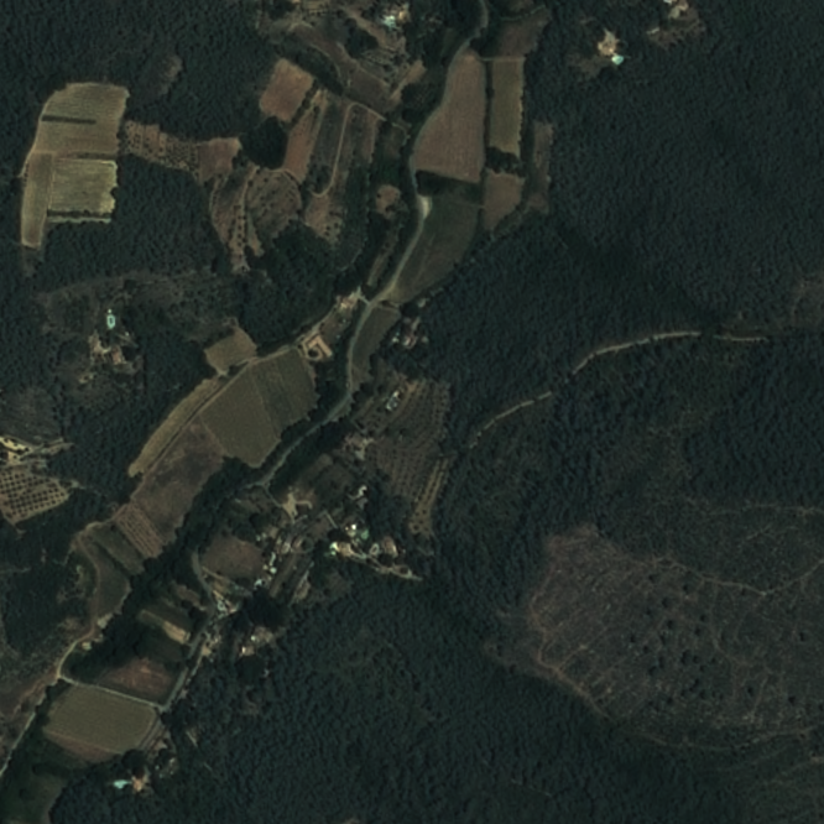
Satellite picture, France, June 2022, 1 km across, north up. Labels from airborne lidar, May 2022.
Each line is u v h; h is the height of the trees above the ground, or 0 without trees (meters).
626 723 7
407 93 14
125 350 7
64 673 0
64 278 15
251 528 14
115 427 18
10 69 13
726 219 16
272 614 18
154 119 20
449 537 17
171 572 7
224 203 0
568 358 14
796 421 16
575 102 15
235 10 15
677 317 18
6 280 15
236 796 8
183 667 9
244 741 8
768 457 19
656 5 18
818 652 0
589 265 14
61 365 17
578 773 19
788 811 9
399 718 19
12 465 0
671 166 18
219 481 11
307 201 12
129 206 18
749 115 13
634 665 0
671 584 0
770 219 16
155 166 13
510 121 0
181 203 16
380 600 17
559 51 16
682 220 17
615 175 15
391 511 19
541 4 13
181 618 0
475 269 18
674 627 17
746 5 14
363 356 0
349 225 7
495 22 12
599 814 17
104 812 18
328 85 11
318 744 13
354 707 19
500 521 7
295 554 0
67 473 19
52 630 8
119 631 21
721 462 20
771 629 0
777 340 20
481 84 0
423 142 0
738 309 20
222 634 6
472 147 0
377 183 8
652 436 9
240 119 6
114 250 17
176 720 14
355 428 5
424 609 12
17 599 13
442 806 21
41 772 11
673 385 8
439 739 20
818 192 17
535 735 19
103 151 0
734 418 21
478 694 18
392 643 11
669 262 12
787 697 0
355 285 19
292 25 0
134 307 8
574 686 0
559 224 7
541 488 17
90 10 14
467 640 17
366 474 8
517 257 18
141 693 0
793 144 14
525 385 20
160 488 0
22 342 11
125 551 0
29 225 0
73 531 8
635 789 10
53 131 0
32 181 0
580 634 0
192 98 16
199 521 23
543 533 17
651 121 16
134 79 11
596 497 18
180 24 16
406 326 11
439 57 16
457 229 0
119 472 17
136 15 12
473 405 8
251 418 0
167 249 14
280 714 17
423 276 0
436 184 10
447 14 20
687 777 18
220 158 0
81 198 0
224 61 13
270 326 22
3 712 0
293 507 0
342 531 12
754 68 16
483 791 8
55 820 15
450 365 18
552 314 17
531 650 0
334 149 0
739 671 0
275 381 0
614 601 0
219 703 16
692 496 7
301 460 9
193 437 0
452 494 18
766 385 15
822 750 12
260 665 12
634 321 15
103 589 0
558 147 13
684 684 0
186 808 10
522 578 14
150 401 18
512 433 7
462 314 18
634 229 15
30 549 7
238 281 7
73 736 0
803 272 8
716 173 15
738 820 9
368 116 0
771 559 6
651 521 9
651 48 14
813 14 12
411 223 7
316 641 17
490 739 19
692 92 13
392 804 15
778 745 6
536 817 8
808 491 15
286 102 0
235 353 0
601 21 8
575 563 0
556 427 18
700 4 15
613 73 14
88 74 6
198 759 12
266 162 13
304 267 22
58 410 13
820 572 0
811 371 12
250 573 0
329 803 17
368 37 8
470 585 18
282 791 12
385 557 13
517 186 0
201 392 0
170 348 16
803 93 16
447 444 14
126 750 0
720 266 20
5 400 15
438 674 15
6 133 18
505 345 18
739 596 0
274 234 0
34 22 16
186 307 18
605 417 16
